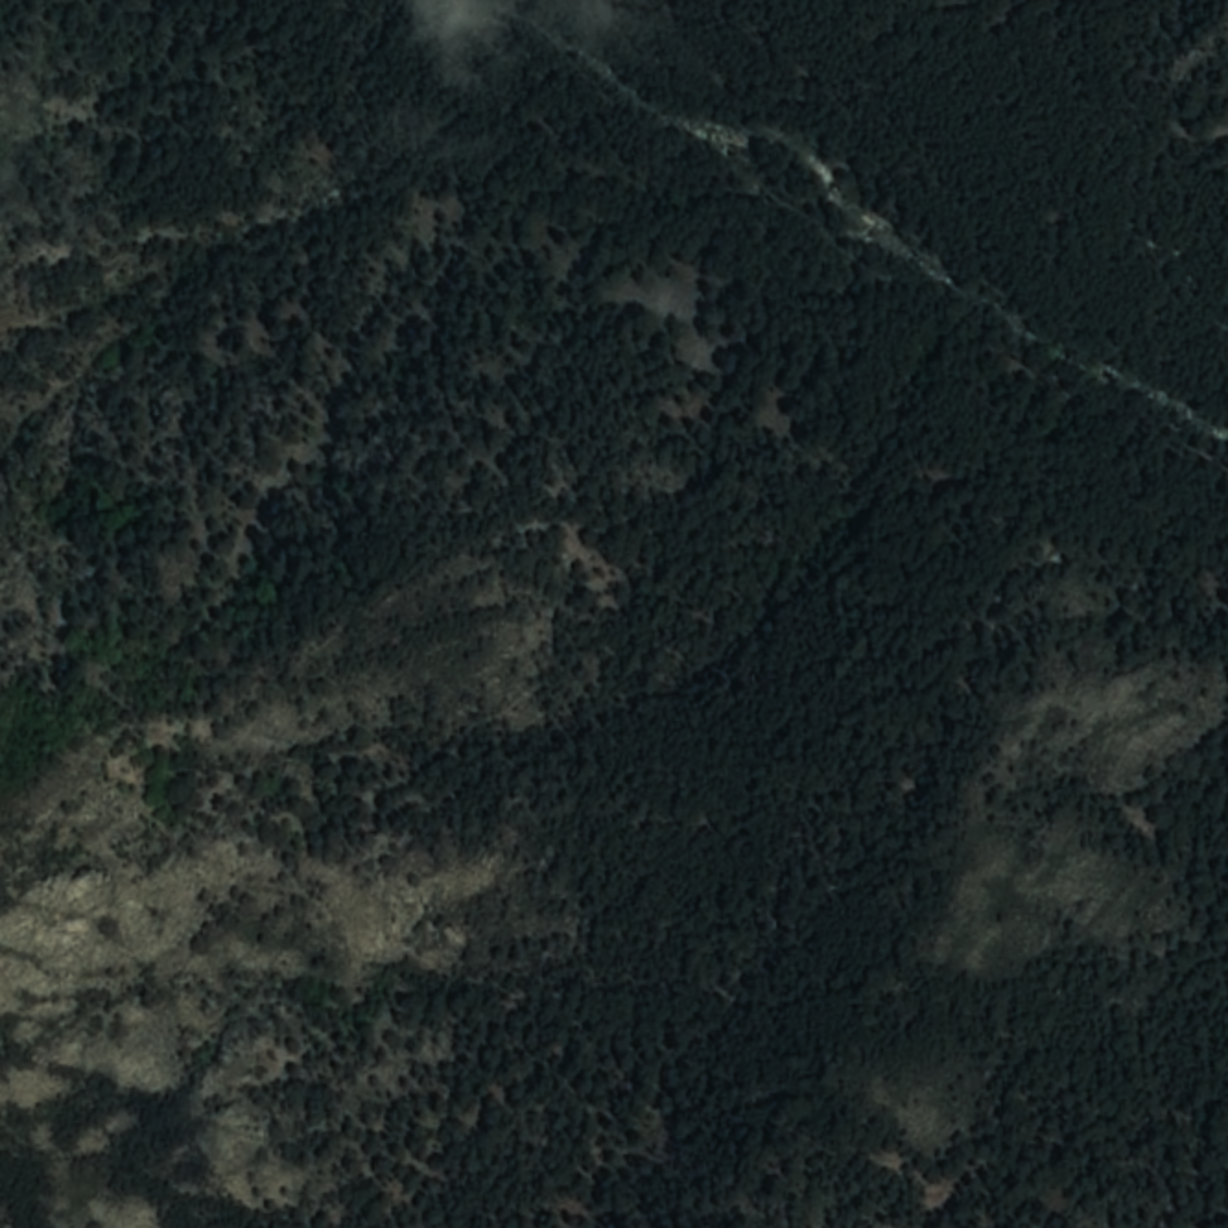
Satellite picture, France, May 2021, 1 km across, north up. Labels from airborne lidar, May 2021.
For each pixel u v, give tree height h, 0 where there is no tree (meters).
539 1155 33
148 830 5
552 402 28
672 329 16
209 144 23
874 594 32
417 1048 23
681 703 25
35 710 10
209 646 29
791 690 27
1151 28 26
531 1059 24
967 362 25
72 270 25
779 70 36
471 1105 24
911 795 22
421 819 20
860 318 31
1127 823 26
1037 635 25
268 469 18
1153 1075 20
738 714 26
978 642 22
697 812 28
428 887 0
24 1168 11
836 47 33
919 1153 12
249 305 21
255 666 17
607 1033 34
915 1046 21
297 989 22
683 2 26
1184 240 26
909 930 17
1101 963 26
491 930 24
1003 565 21
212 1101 9
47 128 11
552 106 36
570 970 15
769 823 23
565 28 25
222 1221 13
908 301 37
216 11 25
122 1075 0
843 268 32
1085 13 23
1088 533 27
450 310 30
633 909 18
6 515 25
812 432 33
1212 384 29
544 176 36
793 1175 21
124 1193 8
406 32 23
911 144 30
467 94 23
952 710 32
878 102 30
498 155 28
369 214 33
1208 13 22
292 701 5
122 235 23
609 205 33
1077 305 28
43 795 0
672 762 22
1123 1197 21
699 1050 29
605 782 17
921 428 27
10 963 0
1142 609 23
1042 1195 29
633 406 25
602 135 37
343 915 0
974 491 33
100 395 8
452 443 20
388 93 18
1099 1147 34
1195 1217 24
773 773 29
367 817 23
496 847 9
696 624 24
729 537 36
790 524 35
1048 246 26
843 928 24
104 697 10
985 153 23
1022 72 22
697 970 28
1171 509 36
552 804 13
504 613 15
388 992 12
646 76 37
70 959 0
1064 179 23
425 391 8
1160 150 17
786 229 39
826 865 16
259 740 0
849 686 24
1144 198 25
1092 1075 23
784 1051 24
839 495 31
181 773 8
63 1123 7
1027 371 14
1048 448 24
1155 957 20
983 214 28
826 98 30
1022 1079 25
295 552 34
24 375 25
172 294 10
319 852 18
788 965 30
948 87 25
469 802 23
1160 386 27
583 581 17
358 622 8
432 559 15
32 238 27
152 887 0
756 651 30
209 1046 11
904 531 28
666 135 26
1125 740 0
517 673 12
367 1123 21
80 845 6
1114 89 22
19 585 0
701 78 34
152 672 11
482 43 25
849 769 21
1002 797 23
